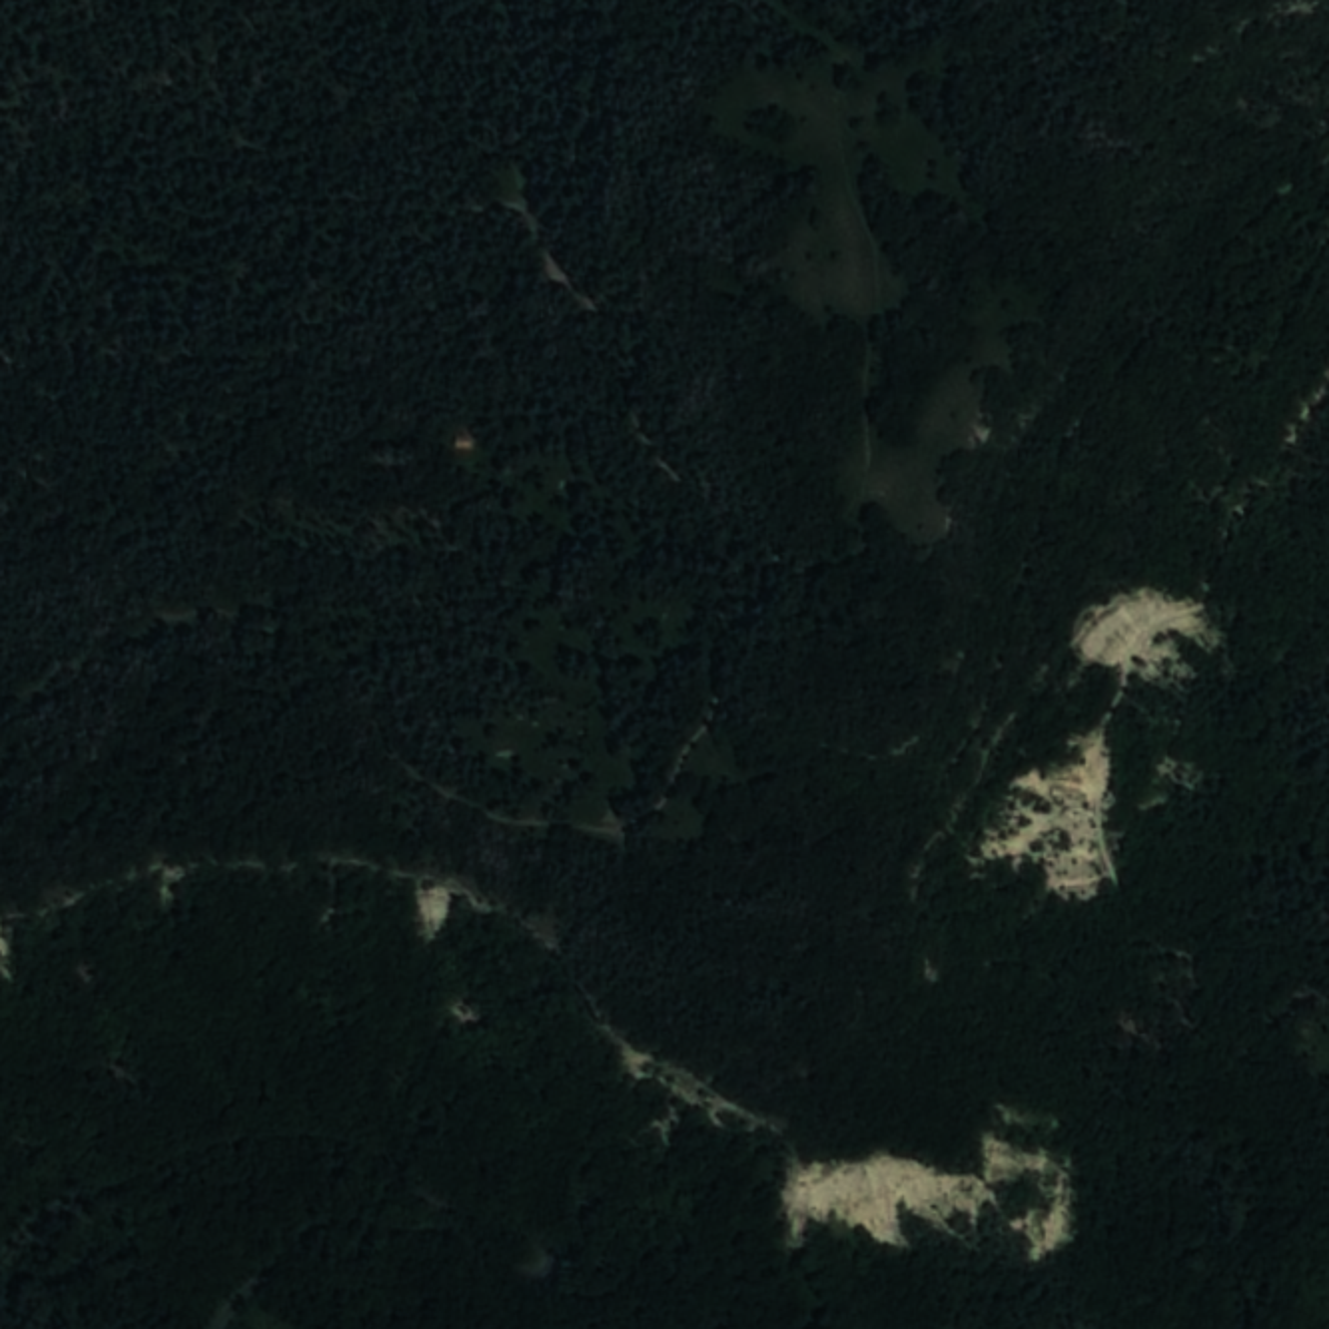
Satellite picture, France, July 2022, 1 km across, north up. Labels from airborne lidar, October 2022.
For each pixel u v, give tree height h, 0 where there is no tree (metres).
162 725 7
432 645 20
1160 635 6
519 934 6
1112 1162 18
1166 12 16
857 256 0
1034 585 21
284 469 29
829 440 19
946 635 15
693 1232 27
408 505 22
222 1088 30
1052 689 16
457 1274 29
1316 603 16
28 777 12
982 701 15
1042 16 24
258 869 10
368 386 28
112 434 26
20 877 17
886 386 8
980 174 22
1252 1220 9
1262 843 20
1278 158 16
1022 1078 20
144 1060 31
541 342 22
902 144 0
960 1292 22
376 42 11
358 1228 25
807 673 18
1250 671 25
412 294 24
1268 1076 29
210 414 23
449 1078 27
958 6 18
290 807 19
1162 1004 22
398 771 13
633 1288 33
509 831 10
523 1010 25
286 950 29
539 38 33
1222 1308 32
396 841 10
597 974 11
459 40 30
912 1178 0
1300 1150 17
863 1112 23
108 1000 31
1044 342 13
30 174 18
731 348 21
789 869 20
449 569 19
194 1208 28
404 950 22
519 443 10
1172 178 16
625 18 17
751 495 23
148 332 35
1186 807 17
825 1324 16
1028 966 16
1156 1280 21
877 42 21
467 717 25
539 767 0
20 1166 33
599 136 23
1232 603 19
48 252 19
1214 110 9
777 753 16
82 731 24
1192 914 29
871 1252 13
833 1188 0
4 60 31
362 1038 26
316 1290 22
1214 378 18
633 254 10
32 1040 26
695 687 14
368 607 15
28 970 20
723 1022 26
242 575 22
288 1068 26
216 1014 23
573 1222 19
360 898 18
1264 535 17
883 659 20
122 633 19
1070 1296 18
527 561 13
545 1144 22
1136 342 18
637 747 19
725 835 16
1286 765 26
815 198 15
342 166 23
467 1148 20
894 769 13
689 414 20
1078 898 14
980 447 7
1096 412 22
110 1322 36
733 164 21
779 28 15
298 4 27
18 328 24
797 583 15
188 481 24
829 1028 15
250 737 21
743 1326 34
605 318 17
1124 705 9
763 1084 16
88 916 20
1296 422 19
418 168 29
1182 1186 21
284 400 23
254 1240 25
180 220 31
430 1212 19
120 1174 28
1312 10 7
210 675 21
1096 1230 18
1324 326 24
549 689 6
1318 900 31
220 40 11
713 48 23
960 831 13
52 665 25
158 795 15
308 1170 26
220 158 13
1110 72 17
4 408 27
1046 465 21
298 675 28
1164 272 18
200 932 25
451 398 29
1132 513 16
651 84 27
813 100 0
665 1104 10
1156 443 15
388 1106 22
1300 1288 24
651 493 20
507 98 10
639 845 15
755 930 19
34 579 19
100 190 29
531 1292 26
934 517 0
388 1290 27
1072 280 14
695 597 10
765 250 22
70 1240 32
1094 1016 25
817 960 21
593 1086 17
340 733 20
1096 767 0
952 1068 23
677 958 16
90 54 13
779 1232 12
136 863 8
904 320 20
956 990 17
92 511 19
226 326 26
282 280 27
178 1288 25
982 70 20
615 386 11
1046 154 28
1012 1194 8
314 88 8
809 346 18
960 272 9
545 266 14
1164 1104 28
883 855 18
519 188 0
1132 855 17
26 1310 25
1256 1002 31
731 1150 22
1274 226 20
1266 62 13
